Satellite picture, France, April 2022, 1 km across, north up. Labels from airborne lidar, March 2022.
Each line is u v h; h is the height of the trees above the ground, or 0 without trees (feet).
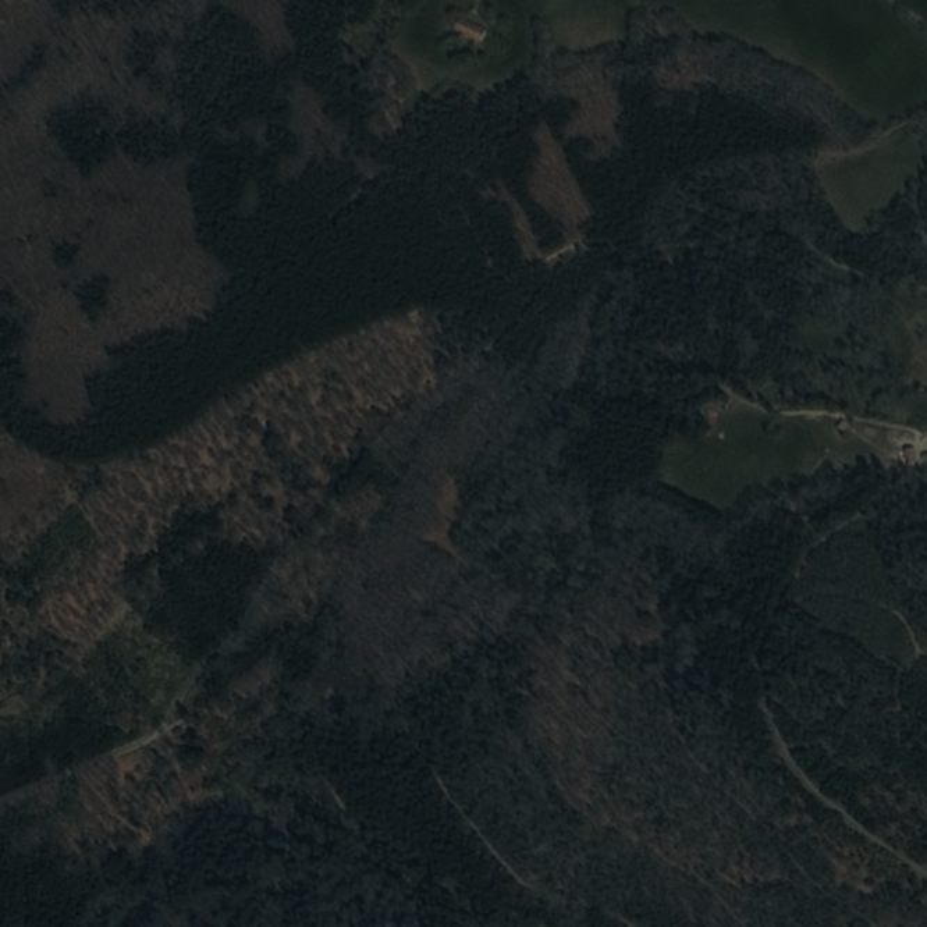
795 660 66
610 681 88
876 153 0
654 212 54
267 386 71
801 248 101
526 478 81
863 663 47
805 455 0
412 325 84
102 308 55
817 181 62
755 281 74
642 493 54
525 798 57
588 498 48
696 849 62
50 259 46
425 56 0
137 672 29
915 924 69
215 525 58
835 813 29
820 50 0
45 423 71
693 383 83
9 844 99
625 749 50
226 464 98
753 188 77
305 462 98
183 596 62
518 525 83
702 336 67
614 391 59
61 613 71
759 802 70
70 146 53
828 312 89
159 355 77
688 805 73
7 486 39
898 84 0
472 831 43
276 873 105
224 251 63
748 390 62
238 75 57
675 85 69
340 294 87
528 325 57
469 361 39
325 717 67
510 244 85
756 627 62
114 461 69
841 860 67
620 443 61
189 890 97
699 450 0
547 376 94
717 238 51
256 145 62
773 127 74
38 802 92
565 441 80
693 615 60
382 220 71
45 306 47
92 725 38
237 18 64
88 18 75
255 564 72
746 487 0
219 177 87
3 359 54
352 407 88
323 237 72
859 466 0
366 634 100
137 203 42
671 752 64
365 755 85
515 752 51
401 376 97
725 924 63
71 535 35
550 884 47
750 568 60
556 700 77
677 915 73
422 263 81
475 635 97
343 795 71
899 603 28
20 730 47
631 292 78
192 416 88
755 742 39
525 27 0
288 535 92
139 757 0
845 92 0
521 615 30
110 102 75
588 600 95
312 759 62
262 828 128
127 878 69
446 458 94
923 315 0
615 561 114
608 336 102
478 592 117
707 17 0
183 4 73
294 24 70
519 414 95
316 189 63
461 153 71
